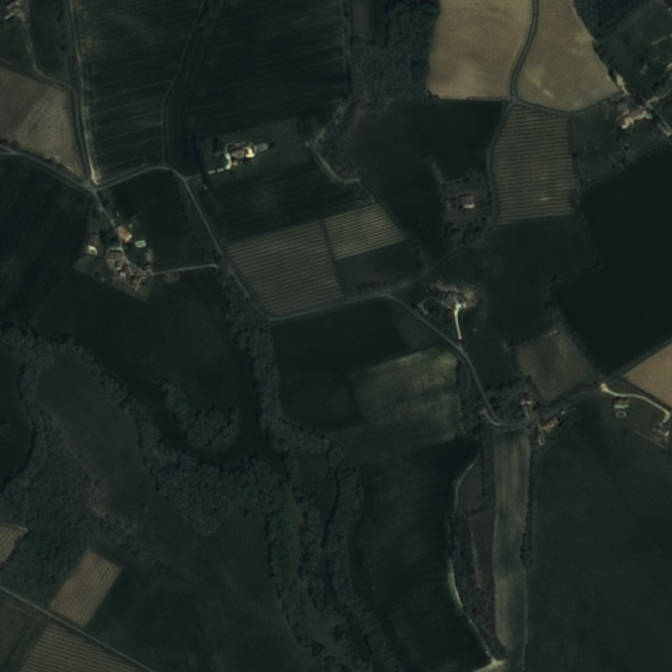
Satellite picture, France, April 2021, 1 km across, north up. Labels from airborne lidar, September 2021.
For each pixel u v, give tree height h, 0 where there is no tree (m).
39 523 13
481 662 0
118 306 0
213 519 21
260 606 0
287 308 0
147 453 21
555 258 0
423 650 0
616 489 0
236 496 21
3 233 0
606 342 0
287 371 0
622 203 0
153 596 0
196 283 0
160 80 0
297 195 0
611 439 0
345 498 14
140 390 0
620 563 0
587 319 0
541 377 0
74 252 0
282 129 0
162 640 0
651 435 0
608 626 0
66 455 12
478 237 21
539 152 0
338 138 6
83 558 15
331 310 0
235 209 0
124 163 0
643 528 0
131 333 0
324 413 0
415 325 0
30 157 0
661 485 0
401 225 0
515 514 0
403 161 0
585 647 0
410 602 0
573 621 0
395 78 20
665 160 0
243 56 0
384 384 0
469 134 0
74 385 0
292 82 0
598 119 0
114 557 0
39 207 0
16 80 0
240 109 0
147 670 0
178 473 23
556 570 0
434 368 0
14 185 0
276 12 0
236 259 0
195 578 0
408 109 0
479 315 0
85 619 0
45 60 0
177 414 22
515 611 0
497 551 0
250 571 0
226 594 0
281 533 23
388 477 0
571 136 0
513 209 0
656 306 0
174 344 0
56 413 0
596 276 0
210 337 0
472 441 0
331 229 0
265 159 0
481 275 0
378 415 0
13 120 0
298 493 15
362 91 18
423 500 0
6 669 0
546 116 0
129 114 0
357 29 0
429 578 0
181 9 0
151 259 0
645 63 8
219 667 0
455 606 0
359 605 14
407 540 0
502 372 0
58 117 0
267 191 0
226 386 0
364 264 0
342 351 0
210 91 0
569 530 0
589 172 0
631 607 0
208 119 0
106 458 0
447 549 0
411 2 9
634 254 0
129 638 0
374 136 0
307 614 0
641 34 0
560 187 0
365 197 0
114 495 0
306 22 0
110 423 0
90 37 0
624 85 0
